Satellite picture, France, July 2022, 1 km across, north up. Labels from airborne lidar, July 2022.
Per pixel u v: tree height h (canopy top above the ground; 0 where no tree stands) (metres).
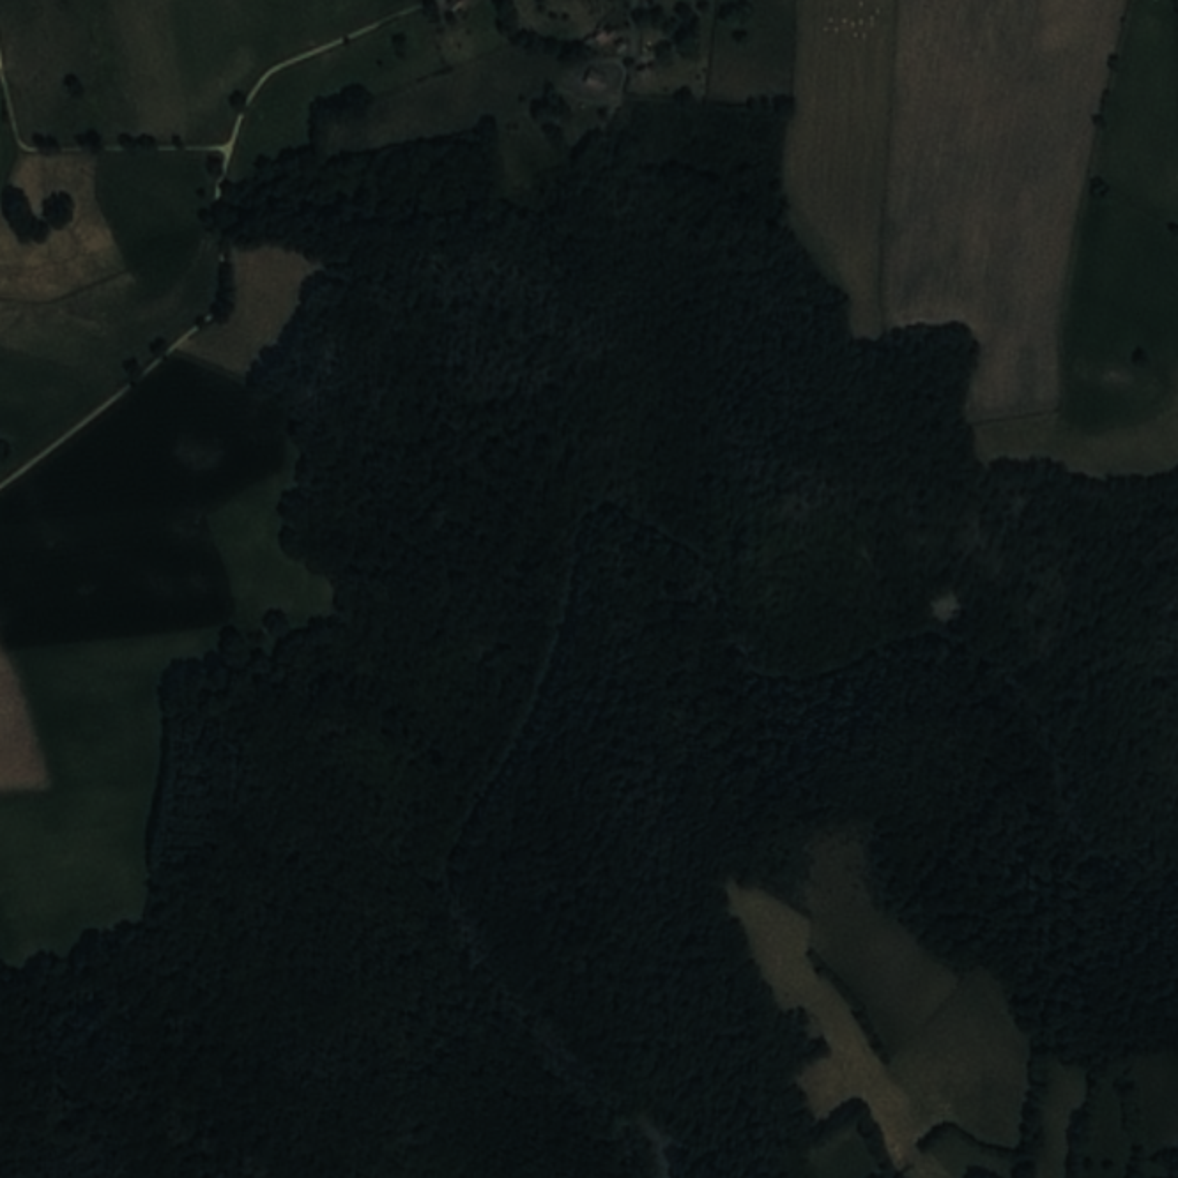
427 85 0
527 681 16
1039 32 0
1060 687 21
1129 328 0
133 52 0
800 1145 16
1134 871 25
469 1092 21
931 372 16
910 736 20
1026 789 31
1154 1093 0
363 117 12
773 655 22
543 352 24
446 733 16
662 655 17
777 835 17
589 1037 19
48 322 0
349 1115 15
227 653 19
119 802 0
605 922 12
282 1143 20
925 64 0
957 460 12
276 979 22
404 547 23
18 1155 21
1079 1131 18
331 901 17
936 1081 0
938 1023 0
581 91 0
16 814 0
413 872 23
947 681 23
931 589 22
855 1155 0
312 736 16
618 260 20
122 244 0
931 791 20
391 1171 16
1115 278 0
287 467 0
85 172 0
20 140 0
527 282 10
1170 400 0
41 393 0
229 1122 21
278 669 17
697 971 14
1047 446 0
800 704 24
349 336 17
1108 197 13
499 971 22
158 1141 25
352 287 15
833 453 13
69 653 0
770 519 7
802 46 0
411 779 19
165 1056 21
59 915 0
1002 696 21
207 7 0
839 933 0
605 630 15
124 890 0
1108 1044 27
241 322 0
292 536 22
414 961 19
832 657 20
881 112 0
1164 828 13
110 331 0
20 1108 19
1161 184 0
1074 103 0
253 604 0
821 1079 0
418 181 18
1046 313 0
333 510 26
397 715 23
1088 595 20
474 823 21
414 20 0
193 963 19
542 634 24
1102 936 31
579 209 22
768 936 0
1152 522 13
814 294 11
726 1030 9
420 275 18
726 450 14
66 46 0
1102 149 0
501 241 15
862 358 19
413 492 26
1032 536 9
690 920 13
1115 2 0
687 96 17
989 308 0
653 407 12
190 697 25
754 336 20
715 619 25
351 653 13
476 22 0
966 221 0
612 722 20
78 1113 24
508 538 23
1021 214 0
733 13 15
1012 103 0
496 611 22
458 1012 25
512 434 26
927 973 0
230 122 0
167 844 22
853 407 19
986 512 13
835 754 25
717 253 19
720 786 20
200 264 0
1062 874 24
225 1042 26
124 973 22
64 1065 25
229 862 26
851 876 0
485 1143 22
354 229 25
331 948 20
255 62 0
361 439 24
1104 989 26
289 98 0
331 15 0
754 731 17
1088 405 0
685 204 20
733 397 14
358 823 18
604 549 10
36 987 21
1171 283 0
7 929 0
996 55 0
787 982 0
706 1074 18
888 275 0
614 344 15
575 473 19
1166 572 14
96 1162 25
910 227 0
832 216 0
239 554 0
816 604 15
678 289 27
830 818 18
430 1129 15
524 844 18
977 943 22
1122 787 8
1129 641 8
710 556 21
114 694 0
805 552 7
